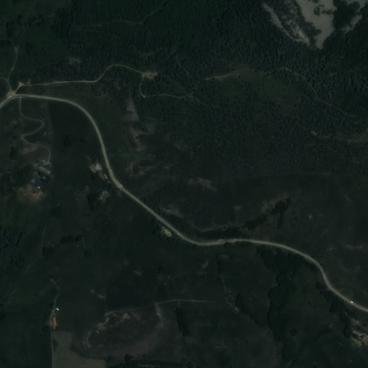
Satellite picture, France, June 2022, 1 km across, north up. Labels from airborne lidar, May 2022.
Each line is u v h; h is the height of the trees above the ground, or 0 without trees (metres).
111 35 6
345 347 0
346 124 12
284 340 17
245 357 0
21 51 0
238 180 0
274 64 17
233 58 13
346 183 0
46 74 7
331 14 9
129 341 0
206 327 0
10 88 0
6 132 0
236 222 0
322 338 0
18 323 0
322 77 19
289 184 0
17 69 0
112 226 0
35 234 0
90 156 0
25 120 0
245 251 0
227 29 14
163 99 0
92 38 7
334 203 0
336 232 0
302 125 9
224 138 0
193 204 0
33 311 0
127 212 0
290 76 14
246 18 7
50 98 0
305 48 17
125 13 11
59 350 0
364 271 0
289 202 10
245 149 8
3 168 0
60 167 0
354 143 0
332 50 16
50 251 14
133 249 0
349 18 21
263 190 0
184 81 12
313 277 0
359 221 0
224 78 0
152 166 0
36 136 0
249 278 0
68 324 0
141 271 0
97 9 10
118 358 0
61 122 0
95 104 0
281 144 6
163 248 0
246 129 8
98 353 0
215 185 0
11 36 9
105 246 0
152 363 11
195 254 0
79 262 0
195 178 0
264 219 7
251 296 0
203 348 0
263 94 0
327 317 0
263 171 0
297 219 9
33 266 0
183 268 0
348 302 0
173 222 11
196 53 14
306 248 0
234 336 0
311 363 0
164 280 0
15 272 0
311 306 8
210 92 0
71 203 0
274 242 0
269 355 0
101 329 0
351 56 18
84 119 0
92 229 0
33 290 0
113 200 0
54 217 0
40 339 0
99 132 0
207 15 7
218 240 9
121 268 0
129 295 0
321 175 0
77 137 0
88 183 0
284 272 16
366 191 0
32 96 0
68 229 0
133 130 0
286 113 0
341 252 0
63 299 0
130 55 10
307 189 0
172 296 0
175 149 0
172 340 0
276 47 8
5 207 0
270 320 16
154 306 0
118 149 0
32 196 0
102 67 9
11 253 20
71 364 0
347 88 20
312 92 11
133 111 0
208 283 0
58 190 0
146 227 0
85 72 7
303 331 0
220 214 0
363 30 24
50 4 0
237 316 0
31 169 0
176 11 9
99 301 0
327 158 7
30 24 8
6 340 0
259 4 13
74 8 11
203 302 0
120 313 0
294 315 0
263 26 10
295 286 15
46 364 0
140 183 0
